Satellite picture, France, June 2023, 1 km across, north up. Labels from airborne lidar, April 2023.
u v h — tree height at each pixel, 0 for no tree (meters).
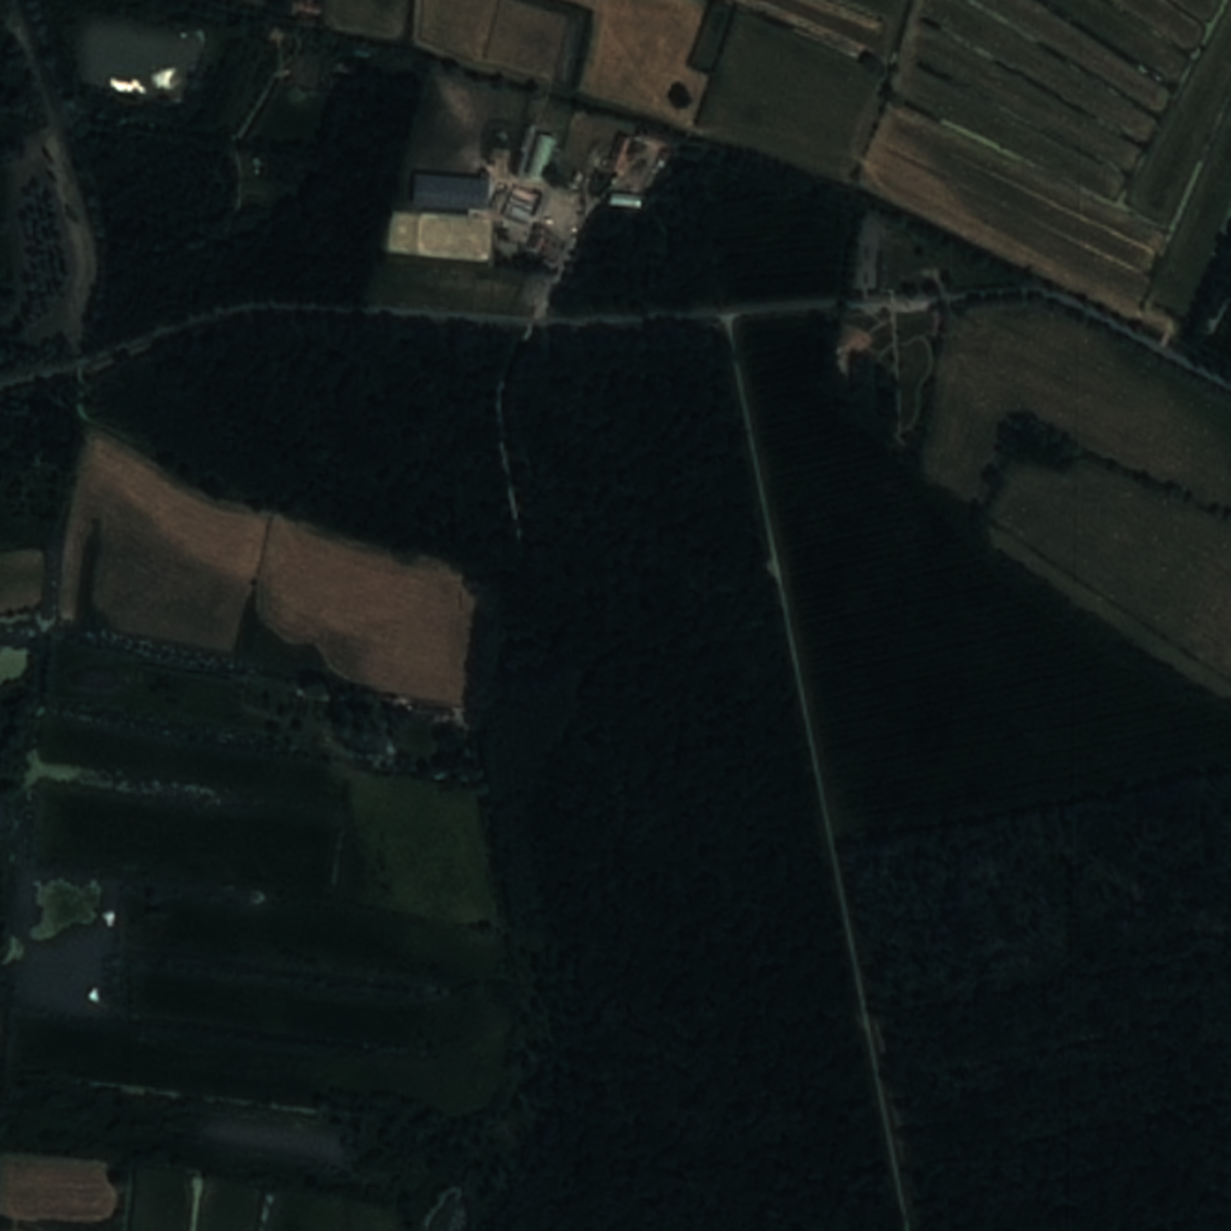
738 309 0
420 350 17
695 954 23
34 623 0
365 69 13
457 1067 0
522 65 0
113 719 0
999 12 0
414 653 0
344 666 0
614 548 21
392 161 16
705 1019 17
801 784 19
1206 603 0
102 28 0
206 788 0
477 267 0
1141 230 0
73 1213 0
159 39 0
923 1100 16
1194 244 0
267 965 0
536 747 15
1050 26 0
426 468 21
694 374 22
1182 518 0
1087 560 0
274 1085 0
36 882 0
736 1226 18
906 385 0
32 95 15
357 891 0
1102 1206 18
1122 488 0
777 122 0
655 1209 21
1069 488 0
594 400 18
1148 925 20
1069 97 0
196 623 0
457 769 10
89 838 0
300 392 17
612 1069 16
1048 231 0
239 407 16
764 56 0
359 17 0
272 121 0
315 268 9
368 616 0
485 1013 0
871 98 0
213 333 17
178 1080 0
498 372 12
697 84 0
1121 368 0
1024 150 0
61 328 0
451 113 0
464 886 0
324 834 0
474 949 0
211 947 0
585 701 20
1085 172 0
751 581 18
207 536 0
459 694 0
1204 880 21
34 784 0
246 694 0
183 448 13
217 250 14
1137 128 0
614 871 17
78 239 0
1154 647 0
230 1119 0
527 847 18
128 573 0
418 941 0
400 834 0
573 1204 26
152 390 7
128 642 0
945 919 17
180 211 12
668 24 0
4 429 10
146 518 0
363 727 17
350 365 21
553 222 0
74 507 0
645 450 19
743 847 18
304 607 0
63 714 0
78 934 0
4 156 18
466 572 0
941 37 0
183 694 0
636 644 17
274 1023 0
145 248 7
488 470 19
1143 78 0
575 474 20
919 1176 17
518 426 18
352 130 15
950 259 0
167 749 0
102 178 9
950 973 25
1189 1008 16
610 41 0
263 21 10
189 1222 0
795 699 8
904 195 0
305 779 0
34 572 0
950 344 0
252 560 0
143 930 0
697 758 21
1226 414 0
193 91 6
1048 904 32
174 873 0
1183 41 0
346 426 21
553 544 23
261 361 20
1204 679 0
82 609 0
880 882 21
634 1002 18
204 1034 0
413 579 0
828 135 0
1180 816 22
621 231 18
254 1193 0
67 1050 0
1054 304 9
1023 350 0
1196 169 0
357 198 15
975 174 0
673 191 12
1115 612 0
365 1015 0
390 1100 6
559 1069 19
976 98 0
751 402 0
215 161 8
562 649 19
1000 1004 17
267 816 0
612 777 18
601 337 21
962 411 0
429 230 0
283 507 16
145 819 0
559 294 14
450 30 0
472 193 0
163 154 9
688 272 24
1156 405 0
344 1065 0
